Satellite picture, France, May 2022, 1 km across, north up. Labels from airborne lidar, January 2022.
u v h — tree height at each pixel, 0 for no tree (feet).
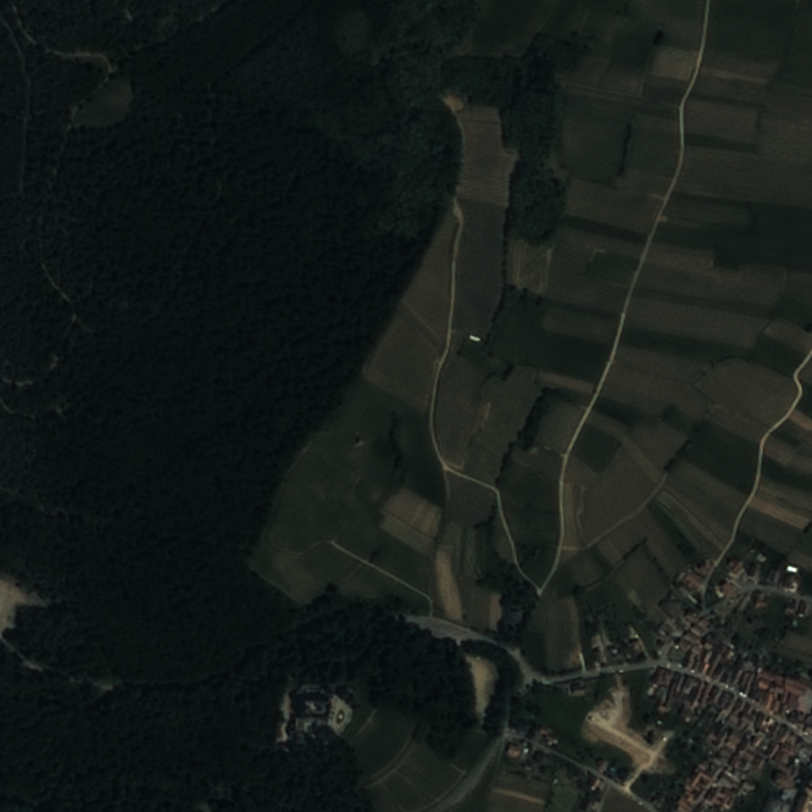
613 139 0
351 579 0
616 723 0
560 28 0
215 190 25
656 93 0
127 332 38
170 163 61
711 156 0
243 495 85
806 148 0
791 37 0
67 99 29
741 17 0
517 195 59
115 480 69
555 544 0
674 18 0
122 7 52
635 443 0
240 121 76
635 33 0
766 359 0
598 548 0
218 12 33
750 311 0
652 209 0
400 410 0
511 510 0
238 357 57
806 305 0
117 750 43
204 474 81
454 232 0
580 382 0
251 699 72
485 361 0
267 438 77
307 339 72
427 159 66
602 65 0
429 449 0
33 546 31
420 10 57
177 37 44
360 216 57
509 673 71
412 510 0
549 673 40
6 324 44
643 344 0
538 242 53
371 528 0
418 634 89
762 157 0
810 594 0
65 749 62
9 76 30
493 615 0
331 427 0
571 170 0
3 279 38
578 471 0
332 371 75
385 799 0
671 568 0
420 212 67
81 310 39
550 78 59
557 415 0
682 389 0
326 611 52
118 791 85
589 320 0
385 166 69
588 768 0
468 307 0
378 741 0
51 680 62
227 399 64
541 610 0
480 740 0
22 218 36
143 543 65
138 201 36
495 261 0
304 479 0
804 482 0
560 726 0
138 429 69
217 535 81
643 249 0
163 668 64
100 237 30
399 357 0
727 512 0
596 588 0
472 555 0
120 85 0
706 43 0
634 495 0
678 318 0
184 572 76
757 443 0
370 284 78
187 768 82
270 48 63
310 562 0
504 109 40
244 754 81
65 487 40
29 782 94
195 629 83
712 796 0
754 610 0
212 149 52
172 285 30
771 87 0
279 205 69
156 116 19
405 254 53
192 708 85
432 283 0
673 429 0
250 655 94
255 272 73
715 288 0
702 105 0
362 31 55
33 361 27
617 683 0
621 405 0
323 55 49
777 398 0
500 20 0
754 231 0
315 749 80
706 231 0
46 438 50
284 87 52
